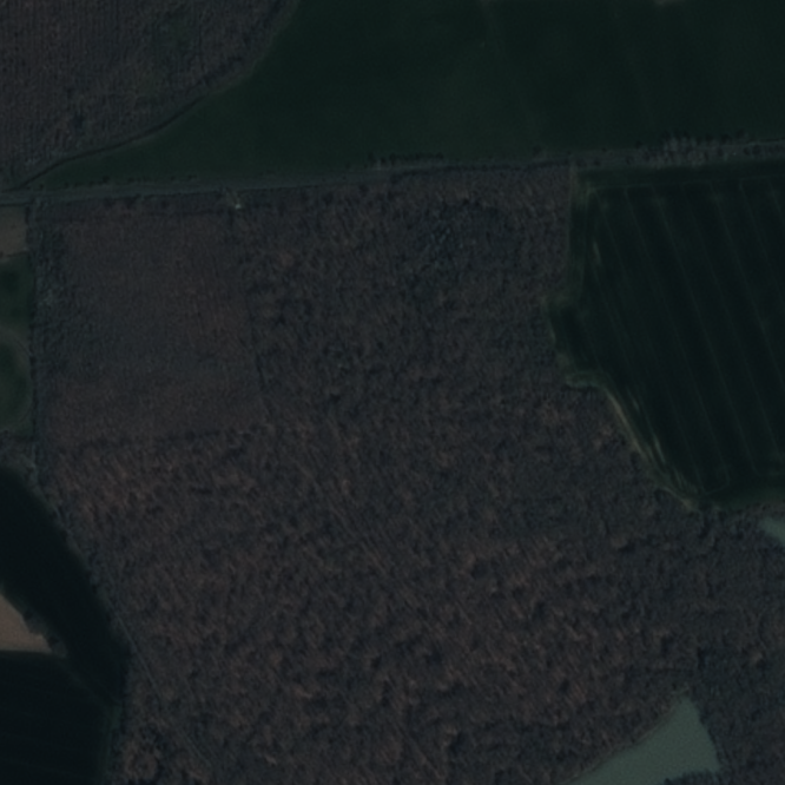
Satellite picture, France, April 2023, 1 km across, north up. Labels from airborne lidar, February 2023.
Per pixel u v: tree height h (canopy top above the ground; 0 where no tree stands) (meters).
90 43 8
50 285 7
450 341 25
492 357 24
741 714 26
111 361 15
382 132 0
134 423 14
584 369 0
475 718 23
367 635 22
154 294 10
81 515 22
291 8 19
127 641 18
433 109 0
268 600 17
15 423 0
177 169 0
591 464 22
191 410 12
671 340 0
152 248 11
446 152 0
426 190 19
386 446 21
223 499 15
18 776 0
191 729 21
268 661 19
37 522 0
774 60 0
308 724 23
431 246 22
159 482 14
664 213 0
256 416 11
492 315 18
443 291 23
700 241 0
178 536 11
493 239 20
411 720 24
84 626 0
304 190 6
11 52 9
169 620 22
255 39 17
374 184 7
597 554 26
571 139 0
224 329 9
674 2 0
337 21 0
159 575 16
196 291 8
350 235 20
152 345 13
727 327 0
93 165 0
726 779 10
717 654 24
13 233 0
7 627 0
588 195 0
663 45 0
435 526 22
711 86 0
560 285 19
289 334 24
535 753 20
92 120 8
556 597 22
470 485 20
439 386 15
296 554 24
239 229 13
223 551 10
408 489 22
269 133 0
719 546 21
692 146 22
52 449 14
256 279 6
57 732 0
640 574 23
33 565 0
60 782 0
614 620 19
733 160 0
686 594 21
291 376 22
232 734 23
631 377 0
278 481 15
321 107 0
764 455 0
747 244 0
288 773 21
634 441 0
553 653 25
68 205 6
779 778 17
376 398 18
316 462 24
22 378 0
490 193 14
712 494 0
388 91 0
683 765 0
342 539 21
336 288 24
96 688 0
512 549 26
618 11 0
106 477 23
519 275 21
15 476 0
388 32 0
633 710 21
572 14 0
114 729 0
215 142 0
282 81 0
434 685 24
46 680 0
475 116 0
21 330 0
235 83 17
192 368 15
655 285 0
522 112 0
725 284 0
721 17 0
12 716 0
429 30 0
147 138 8
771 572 24
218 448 20
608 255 0
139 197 7
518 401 18
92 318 15
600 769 0
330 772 22
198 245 12
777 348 0
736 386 0
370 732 20
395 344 17
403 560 24
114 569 23
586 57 0
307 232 21
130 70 8
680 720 0
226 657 8
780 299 0
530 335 14
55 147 7
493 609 24
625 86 0
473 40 0
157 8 8
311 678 21
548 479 20
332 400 6
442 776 26
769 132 0
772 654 30
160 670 21
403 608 25
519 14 0
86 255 12
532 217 22
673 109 0
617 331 0
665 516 25
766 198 0
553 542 25
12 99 8
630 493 23
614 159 0
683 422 0
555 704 22
